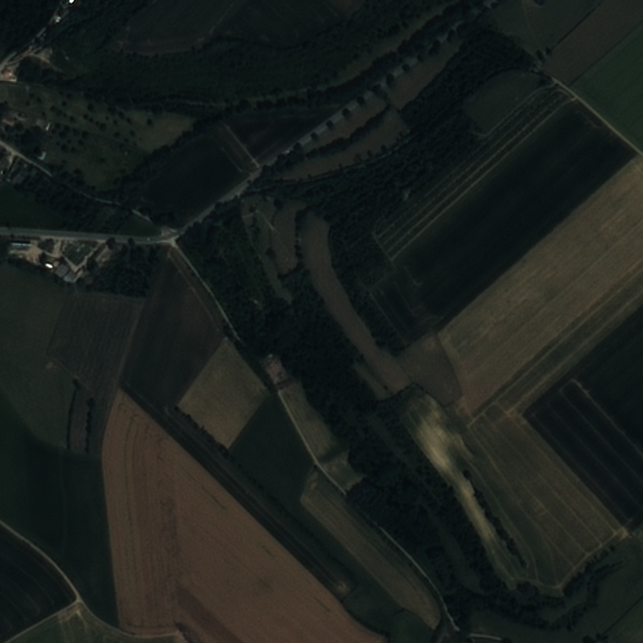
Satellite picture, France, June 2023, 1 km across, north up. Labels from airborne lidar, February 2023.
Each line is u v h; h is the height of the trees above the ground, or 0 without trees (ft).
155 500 0
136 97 55
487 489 0
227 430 0
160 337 0
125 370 0
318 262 0
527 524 0
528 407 0
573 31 0
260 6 0
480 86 26
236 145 0
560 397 0
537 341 0
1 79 0
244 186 0
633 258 0
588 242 0
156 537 0
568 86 0
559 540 0
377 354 0
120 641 0
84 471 0
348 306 0
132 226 0
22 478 0
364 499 76
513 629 0
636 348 0
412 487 90
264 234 0
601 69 0
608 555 42
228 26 0
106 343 0
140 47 0
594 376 0
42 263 33
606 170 0
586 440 0
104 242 0
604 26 0
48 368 0
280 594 0
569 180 0
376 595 0
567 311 0
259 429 0
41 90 0
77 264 0
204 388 0
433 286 0
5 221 0
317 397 87
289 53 23
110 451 0
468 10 97
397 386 0
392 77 44
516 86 0
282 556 0
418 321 0
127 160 0
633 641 0
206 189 0
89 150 0
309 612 0
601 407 0
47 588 0
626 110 0
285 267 0
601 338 0
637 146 0
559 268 0
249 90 19
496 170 0
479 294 0
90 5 59
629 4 0
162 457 0
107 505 0
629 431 0
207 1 0
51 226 0
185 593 0
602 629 0
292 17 0
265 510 0
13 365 0
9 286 0
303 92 0
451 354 0
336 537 0
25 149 20
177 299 0
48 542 0
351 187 27
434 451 0
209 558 0
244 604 0
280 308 27
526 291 0
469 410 0
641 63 0
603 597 0
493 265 0
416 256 0
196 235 82
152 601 0
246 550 0
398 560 0
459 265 0
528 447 0
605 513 0
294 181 27
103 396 0
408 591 0
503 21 0
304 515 0
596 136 0
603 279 0
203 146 0
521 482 0
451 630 0
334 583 0
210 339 0
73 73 0
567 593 54
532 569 0
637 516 0
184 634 0
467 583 0
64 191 27
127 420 0
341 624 0
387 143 0
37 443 0
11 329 0
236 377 0
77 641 0
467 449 0
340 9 0
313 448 0
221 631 0
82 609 0
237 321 41
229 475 0
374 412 28
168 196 0
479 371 0
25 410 0
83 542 0
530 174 0
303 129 0
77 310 0
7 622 0
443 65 0
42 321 0
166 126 0
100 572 0
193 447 0
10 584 0
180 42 0
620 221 0
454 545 0
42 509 0
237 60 28
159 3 0
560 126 0
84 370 0
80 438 0
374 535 0
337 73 52
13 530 0
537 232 0
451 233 0
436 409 0
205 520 0
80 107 0
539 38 0
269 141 0
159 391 0
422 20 0
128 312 0
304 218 45
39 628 0
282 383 0
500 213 0
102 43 26
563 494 0
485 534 0
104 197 39
